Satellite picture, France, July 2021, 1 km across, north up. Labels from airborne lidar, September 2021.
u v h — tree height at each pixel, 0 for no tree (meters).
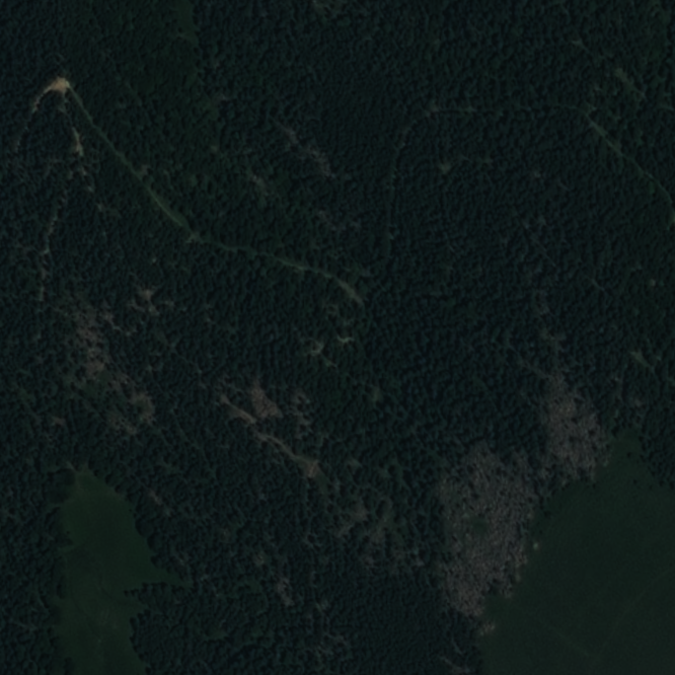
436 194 18
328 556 18
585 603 0
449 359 20
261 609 11
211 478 21
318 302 21
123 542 0
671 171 21
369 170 19
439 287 19
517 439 15
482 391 13
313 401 16
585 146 25
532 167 22
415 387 16
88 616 0
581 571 0
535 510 8
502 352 21
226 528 18
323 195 19
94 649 0
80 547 0
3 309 14
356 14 7
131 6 22
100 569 0
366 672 19
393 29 14
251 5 16
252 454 19
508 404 21
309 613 15
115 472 19
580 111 10
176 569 17
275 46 22
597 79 20
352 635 19
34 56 26
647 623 0
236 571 21
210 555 21
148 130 20
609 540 0
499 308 20
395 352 22
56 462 24
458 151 17
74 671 17
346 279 22
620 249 22
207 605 17
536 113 10
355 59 19
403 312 20
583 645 0
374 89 20
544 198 29
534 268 19
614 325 25
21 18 21
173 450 8
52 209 20
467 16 17
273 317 22
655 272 23
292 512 15
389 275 16
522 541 10
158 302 22
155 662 15
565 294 23
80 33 20
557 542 0
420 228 18
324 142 22
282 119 28
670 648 0
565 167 26
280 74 25
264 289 23
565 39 9
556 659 0
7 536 13
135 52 22
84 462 21
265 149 29
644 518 0
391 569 19
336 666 20
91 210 20
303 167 23
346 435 27
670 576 0
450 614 9
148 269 20
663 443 20
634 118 18
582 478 11
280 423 20
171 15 25
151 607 15
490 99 21
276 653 20
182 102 21
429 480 24
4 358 19
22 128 22
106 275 20
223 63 15
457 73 14
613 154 8
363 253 19
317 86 22
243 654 11
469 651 19
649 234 25
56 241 16
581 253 14
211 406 19
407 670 20
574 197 16
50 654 25
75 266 10
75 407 24
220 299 23
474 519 0
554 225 19
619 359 26
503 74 14
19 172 8
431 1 24
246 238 22
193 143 22
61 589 14
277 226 22
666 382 26
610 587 0
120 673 0
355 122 23
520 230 16
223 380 20
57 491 23
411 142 19
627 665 0
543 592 0
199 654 25
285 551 20
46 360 17
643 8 27
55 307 13
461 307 16
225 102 12
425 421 21
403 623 18
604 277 12
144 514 18
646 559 0
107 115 19
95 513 0
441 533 24
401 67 21
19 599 21
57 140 14
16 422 17
